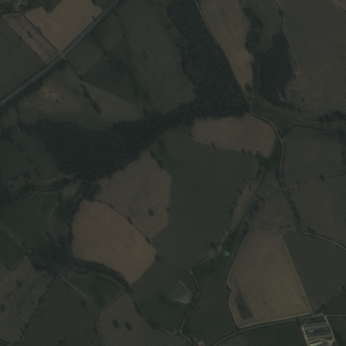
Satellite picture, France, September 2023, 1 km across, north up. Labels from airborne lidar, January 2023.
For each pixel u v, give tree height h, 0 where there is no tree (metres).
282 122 0
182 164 0
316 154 0
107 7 0
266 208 0
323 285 0
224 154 0
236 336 0
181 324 0
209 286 0
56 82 0
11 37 0
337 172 0
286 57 14
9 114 0
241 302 0
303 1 0
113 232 0
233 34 0
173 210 0
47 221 0
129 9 0
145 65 0
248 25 0
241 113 19
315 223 0
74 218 10
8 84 0
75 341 0
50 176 0
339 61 0
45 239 0
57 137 21
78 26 0
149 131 20
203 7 0
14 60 0
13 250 0
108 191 0
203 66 12
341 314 0
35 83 12
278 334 0
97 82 0
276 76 20
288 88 0
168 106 0
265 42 0
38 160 0
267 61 19
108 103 0
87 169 18
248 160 0
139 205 0
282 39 15
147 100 0
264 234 0
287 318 0
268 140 0
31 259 6
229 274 0
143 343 0
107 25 0
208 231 0
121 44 0
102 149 17
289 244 0
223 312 0
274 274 0
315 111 0
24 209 0
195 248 0
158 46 0
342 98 0
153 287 0
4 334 0
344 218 0
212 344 0
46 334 0
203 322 0
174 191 0
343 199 0
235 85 16
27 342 0
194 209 0
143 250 0
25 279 0
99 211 0
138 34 0
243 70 0
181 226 0
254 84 18
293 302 0
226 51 0
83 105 0
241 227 0
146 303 0
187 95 0
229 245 0
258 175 6
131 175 0
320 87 0
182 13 17
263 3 0
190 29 13
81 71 0
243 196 0
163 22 0
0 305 0
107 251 0
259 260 0
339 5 0
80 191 0
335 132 0
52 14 0
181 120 9
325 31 0
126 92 0
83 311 0
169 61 0
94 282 0
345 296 0
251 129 0
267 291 0
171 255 0
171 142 0
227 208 0
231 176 0
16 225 0
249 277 0
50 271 17
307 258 0
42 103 0
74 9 0
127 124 19
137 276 0
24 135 0
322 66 0
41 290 0
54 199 0
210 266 0
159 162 10
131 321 0
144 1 0
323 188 0
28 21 0
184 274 0
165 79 0
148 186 0
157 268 0
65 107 0
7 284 0
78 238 0
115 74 0
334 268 0
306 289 0
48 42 0
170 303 0
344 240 0
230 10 0
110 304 0
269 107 0
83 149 24
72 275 0
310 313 0
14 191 0
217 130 0
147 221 0
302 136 0
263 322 0
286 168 0
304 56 0
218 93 16
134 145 6
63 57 0
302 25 0
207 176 0
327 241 0
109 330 0
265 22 0
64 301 0
